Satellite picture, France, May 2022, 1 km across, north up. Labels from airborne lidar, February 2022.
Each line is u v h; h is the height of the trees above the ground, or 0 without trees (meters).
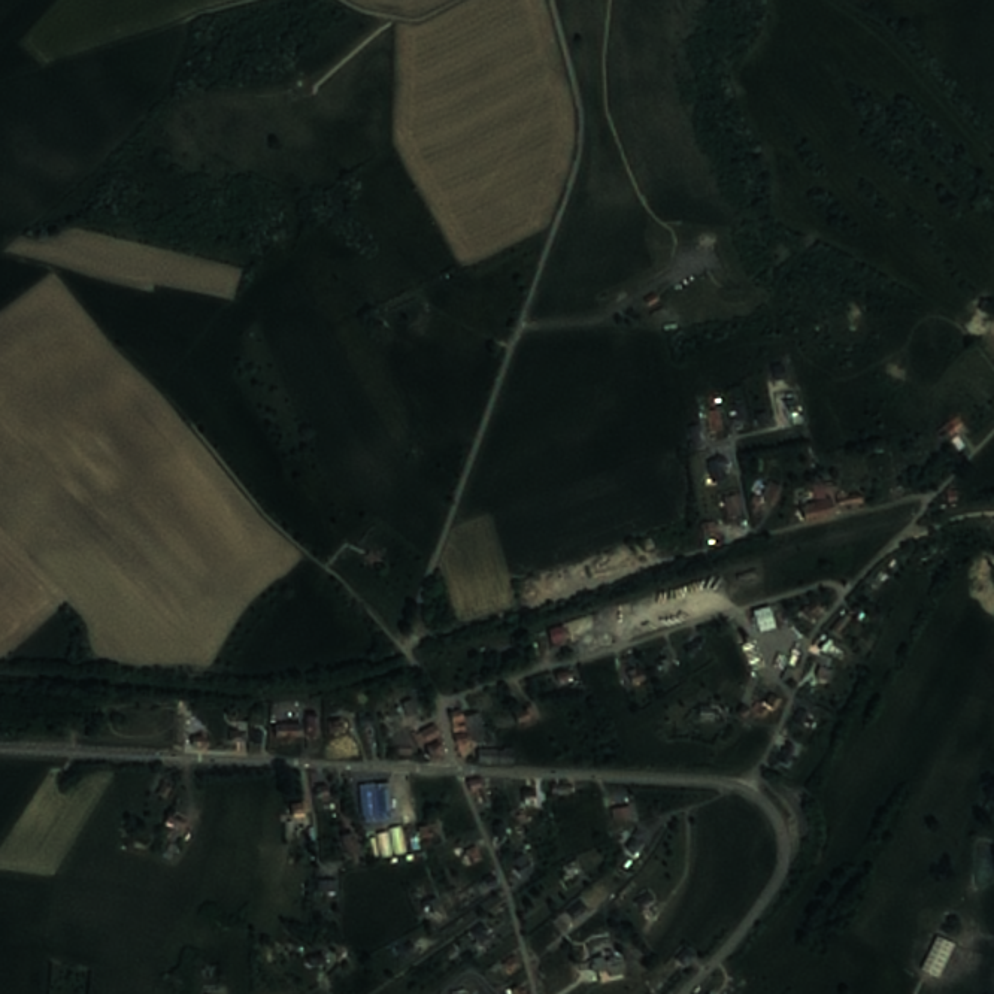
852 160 0
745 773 0
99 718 8
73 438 0
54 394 0
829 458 0
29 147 0
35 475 0
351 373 0
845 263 5
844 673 0
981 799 0
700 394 0
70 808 0
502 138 0
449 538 0
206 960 0
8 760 0
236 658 0
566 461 0
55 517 0
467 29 0
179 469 0
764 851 0
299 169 0
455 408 0
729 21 7
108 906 0
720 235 0
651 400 0
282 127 0
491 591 0
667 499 0
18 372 0
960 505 0
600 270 0
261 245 6
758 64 0
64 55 0
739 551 8
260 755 0
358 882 0
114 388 0
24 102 0
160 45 0
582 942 0
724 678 0
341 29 0
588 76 0
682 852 0
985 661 0
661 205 0
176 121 0
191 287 0
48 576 0
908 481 8
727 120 8
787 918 0
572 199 0
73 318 0
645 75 0
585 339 0
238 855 0
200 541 0
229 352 0
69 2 0
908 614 0
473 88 0
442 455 0
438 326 0
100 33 0
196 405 0
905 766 0
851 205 0
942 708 0
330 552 0
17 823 0
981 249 0
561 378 0
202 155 0
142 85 0
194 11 0
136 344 0
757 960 0
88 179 0
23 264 0
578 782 0
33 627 0
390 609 0
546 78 0
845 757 0
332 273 0
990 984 0
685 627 0
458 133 0
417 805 0
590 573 0
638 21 0
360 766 0
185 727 0
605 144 0
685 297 0
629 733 0
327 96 0
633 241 0
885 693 0
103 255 0
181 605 0
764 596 0
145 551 0
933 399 0
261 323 0
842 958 0
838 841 0
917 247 0
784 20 0
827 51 0
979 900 0
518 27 0
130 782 0
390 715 0
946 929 13
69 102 0
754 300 0
